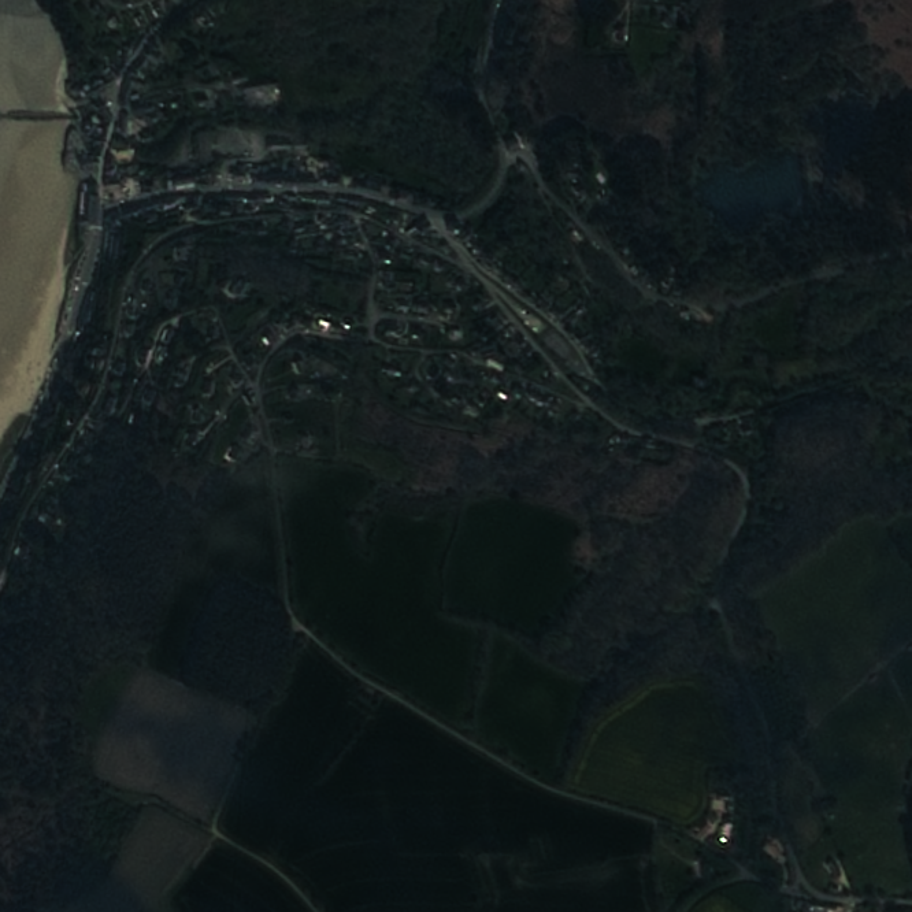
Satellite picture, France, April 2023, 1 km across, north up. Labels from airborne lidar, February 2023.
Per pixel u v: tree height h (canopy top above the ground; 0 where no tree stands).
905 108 21
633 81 14
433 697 0
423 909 0
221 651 17
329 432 7
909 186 14
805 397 6
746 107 17
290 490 0
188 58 9
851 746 0
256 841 0
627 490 0
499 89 21
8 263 0
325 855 0
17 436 0
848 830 0
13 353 0
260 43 8
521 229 13
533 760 0
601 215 19
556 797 0
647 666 21
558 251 19
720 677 20
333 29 6
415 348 0
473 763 0
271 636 15
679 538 26
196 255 6
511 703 0
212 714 0
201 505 15
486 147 20
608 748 0
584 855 0
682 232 15
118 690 0
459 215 0
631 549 22
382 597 0
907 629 0
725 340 15
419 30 20
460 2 9
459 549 0
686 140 7
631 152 18
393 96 10
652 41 0
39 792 14
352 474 0
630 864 0
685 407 15
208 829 0
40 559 12
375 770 0
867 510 20
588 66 0
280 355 0
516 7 11
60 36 16
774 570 22
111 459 14
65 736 13
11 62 0
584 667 24
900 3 0
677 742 0
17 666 12
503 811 0
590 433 15
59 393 15
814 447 25
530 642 14
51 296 0
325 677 0
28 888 13
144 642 15
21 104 0
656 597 30
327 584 0
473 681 9
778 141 14
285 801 0
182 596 0
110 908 0
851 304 13
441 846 0
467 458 18
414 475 0
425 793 0
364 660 0
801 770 0
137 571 18
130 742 0
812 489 21
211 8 9
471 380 8
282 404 0
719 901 0
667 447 6
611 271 16
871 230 20
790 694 13
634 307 12
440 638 0
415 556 0
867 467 22
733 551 8
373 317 0
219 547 0
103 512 22
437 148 15
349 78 16
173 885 0
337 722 0
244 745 10
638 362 0
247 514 0
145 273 0
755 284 6
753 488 12
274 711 0
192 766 0
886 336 27
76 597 17
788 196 0
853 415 27
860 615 0
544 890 0
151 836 0
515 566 0
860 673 0
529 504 0
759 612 11
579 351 0
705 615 9
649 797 0
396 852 0
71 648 15
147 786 0
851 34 6
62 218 0
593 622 25
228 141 0
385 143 15
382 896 0
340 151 6
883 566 0
